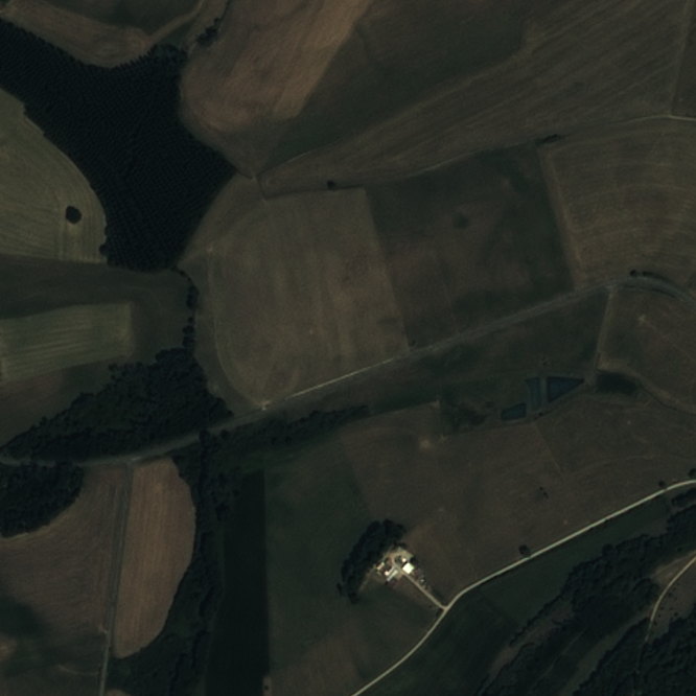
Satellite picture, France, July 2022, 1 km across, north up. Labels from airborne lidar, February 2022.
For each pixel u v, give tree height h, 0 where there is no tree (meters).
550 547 0
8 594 0
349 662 0
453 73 0
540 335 0
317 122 0
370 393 0
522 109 0
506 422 0
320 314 0
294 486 0
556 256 0
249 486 0
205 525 20
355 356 0
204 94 0
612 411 0
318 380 0
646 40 0
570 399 0
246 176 0
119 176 6
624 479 0
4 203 0
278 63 0
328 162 0
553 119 0
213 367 0
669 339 0
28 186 0
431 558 0
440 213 0
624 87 0
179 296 0
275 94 0
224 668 0
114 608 0
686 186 0
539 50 0
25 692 0
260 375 0
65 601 0
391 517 0
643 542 8
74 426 11
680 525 12
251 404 0
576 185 0
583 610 16
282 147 0
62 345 0
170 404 25
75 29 0
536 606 0
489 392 0
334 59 0
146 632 0
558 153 0
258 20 0
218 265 0
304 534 0
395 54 0
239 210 0
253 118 0
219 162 19
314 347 0
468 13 0
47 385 0
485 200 0
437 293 0
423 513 0
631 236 0
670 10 0
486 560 0
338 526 0
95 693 0
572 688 0
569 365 0
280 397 0
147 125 22
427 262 0
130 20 0
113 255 11
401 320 0
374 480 0
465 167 0
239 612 0
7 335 0
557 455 0
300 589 0
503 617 0
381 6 0
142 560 0
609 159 0
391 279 0
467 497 0
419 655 0
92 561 0
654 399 0
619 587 13
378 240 0
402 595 0
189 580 9
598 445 0
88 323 0
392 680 0
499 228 0
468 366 0
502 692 9
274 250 0
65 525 0
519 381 0
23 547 0
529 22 0
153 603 0
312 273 0
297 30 0
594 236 0
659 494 0
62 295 0
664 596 0
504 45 0
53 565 0
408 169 0
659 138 0
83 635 0
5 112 0
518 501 0
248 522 0
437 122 0
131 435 11
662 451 0
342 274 0
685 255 0
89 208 0
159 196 21
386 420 0
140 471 0
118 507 0
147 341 0
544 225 0
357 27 0
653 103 0
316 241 0
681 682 23
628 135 0
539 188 0
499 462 0
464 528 0
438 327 0
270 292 0
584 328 0
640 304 0
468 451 0
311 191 0
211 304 0
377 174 0
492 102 0
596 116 0
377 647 0
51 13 0
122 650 0
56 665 0
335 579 0
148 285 0
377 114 0
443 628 0
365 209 0
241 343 0
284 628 0
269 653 0
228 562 0
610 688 10
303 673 0
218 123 0
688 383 0
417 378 0
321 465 0
